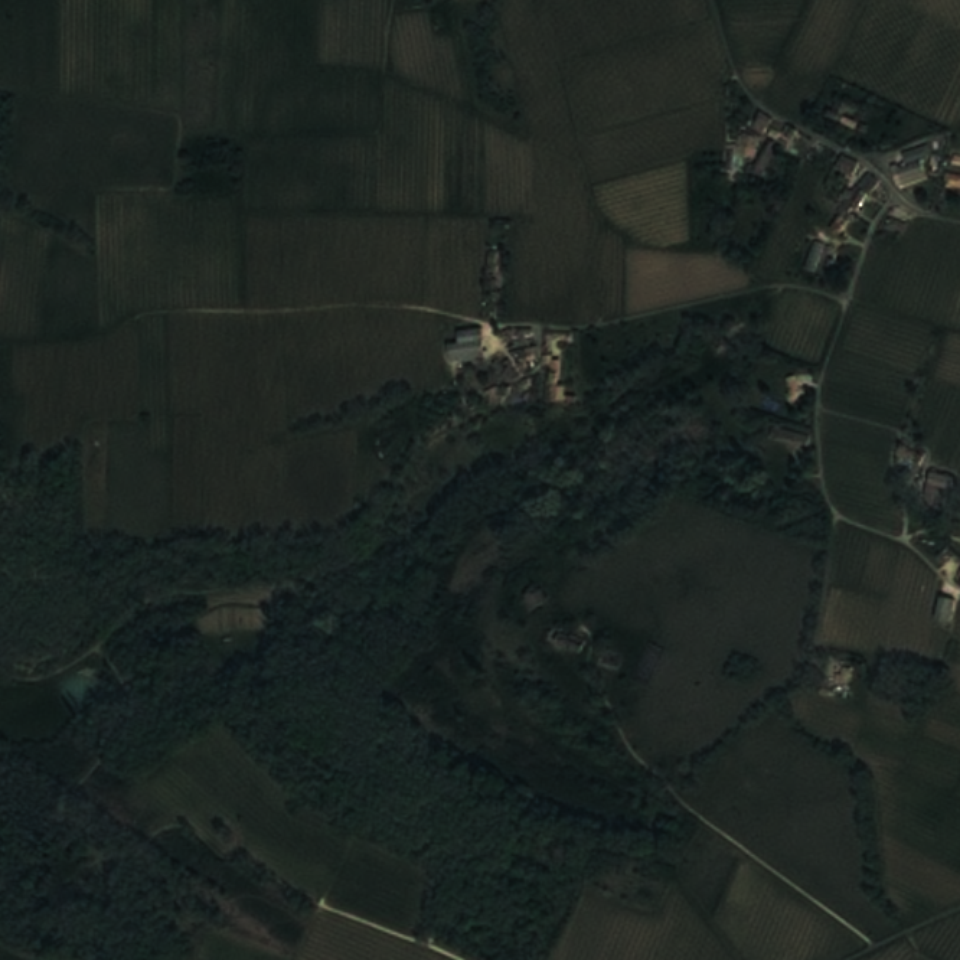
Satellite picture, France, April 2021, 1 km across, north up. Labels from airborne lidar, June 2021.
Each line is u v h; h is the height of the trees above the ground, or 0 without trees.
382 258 0
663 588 0
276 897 0
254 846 0
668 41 0
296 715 19
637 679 0
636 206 0
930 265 0
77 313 0
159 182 0
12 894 21
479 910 17
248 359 0
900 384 0
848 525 0
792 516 10
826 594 13
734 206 10
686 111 0
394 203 0
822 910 0
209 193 0
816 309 0
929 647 0
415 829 19
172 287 0
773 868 0
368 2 0
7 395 0
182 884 17
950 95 0
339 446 0
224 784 0
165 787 0
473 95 0
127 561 16
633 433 28
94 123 0
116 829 19
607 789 6
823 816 0
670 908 0
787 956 0
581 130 0
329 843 0
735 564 0
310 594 17
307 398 0
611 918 0
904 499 16
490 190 0
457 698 0
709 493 9
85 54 0
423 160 0
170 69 0
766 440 11
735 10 0
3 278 0
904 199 0
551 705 20
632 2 0
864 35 0
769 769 0
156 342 0
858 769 9
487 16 11
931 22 0
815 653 13
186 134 0
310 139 0
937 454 0
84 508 13
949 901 0
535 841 19
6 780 15
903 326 0
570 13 0
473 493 21
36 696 0
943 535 17
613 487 22
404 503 20
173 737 20
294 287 0
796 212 0
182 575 17
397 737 21
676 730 0
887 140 7
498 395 0
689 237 0
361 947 0
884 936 0
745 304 0
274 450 0
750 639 0
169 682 20
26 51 0
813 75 0
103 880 15
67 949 21
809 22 0
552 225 0
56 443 0
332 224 0
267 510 0
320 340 0
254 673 16
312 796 15
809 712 0
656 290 0
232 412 0
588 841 15
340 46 0
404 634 23
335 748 17
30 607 15
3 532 15
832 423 0
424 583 29
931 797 0
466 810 20
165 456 0
